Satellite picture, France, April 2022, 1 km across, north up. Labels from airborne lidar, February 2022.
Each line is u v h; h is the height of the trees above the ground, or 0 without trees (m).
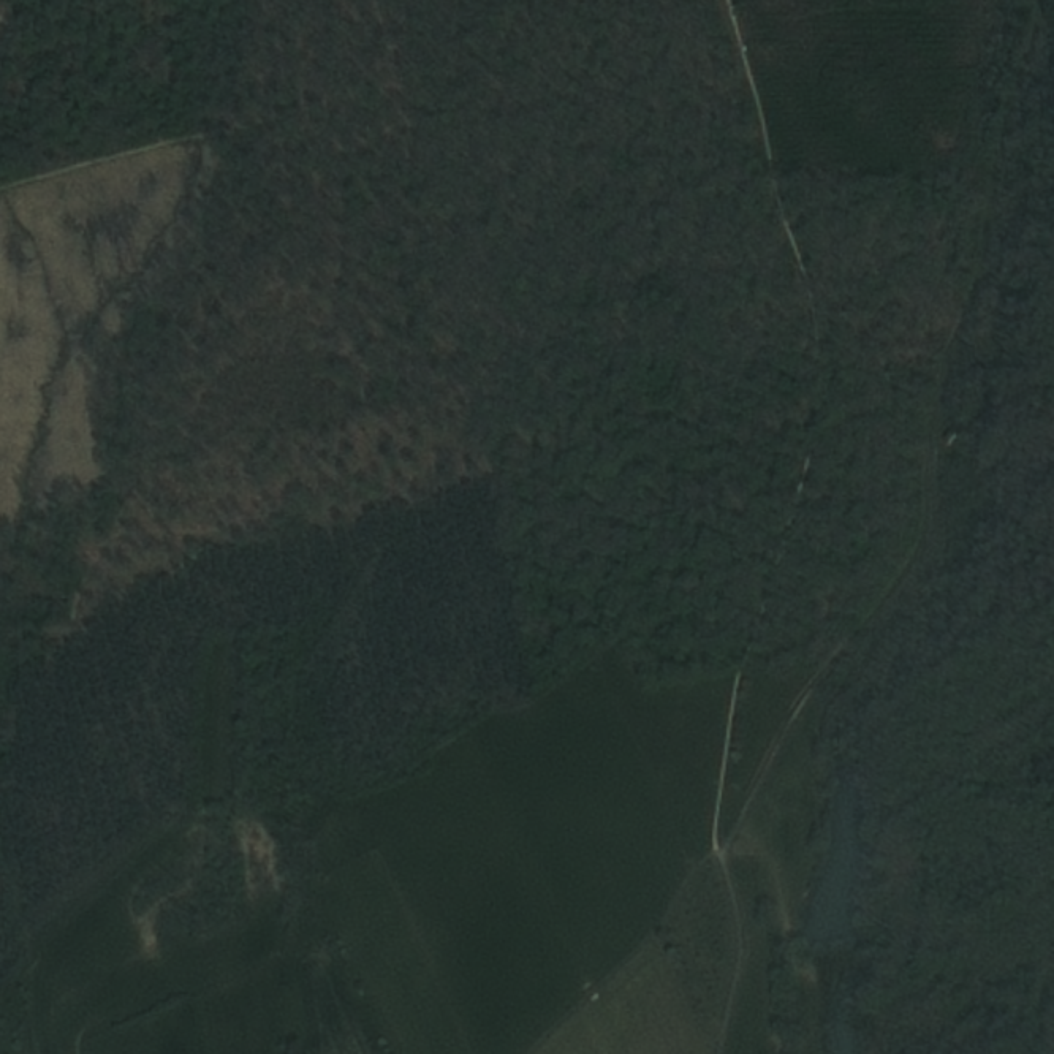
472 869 0
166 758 17
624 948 0
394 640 19
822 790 15
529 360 27
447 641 20
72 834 21
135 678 13
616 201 27
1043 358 26
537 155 29
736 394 29
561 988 0
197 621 17
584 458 31
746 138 26
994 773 10
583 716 0
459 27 28
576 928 0
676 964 7
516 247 30
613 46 24
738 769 0
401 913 0
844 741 21
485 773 0
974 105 12
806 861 0
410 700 17
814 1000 0
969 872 33
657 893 0
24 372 0
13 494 0
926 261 28
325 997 0
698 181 25
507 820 0
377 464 25
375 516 16
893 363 33
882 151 6
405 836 0
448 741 14
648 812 0
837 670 15
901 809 19
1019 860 24
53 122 23
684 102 30
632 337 29
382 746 16
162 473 25
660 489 31
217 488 27
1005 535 32
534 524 26
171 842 0
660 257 28
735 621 29
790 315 27
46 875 17
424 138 27
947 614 35
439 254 29
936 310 29
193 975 0
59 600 22
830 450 30
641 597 26
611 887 0
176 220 0
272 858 14
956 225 24
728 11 0
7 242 0
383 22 8
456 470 23
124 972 0
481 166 28
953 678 30
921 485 25
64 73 17
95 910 0
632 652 28
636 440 29
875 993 30
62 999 0
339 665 14
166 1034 0
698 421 31
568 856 0
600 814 0
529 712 0
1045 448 32
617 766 0
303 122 29
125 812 19
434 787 0
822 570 30
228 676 0
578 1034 0
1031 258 34
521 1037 0
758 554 30
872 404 31
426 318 26
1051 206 11
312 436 29
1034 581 29
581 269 29
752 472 30
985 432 20
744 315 29
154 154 0
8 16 0
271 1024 0
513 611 18
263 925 0
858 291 29
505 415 27
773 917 22
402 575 11
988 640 28
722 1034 0
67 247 0
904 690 25
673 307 23
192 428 23
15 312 0
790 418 26
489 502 15
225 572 13
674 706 0
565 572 31
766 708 0
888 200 30
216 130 24
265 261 25
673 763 0
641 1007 0
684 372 30
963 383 29
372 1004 0
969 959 27
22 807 15
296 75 28
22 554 27
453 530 13
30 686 16
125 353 21
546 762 0
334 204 28
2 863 19
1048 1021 28
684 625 28
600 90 27
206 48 22
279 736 23
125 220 0
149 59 28
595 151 25
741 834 0
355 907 0
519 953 0
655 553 27
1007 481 28
